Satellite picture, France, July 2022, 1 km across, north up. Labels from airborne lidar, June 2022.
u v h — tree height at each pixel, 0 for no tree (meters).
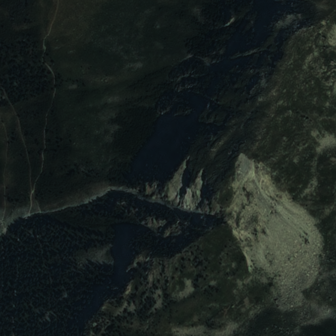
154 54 0
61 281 14
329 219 0
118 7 0
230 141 0
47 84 10
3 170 0
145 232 15
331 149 0
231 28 9
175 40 0
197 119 12
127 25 0
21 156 10
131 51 0
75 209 7
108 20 0
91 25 0
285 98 0
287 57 0
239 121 0
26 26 0
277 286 0
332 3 0
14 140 14
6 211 0
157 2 0
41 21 0
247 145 0
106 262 0
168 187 0
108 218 10
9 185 0
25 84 13
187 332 0
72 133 0
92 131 0
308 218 0
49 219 7
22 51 10
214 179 0
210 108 8
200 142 0
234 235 0
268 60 0
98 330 17
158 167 7
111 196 10
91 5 0
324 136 0
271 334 0
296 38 0
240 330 0
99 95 0
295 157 0
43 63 10
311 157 0
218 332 0
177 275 0
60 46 0
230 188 0
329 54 0
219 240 0
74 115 0
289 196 0
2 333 18
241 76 0
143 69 0
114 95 0
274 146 0
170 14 0
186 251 6
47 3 0
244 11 0
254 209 0
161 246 8
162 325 0
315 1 0
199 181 0
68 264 22
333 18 0
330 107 0
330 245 0
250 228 0
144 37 0
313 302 0
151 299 14
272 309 0
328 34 0
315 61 0
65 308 25
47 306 23
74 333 30
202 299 0
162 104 7
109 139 0
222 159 0
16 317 17
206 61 0
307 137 0
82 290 14
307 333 0
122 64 0
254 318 0
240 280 0
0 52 12
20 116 12
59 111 0
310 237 0
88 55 0
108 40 0
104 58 0
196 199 0
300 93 0
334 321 0
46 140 6
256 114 0
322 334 0
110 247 0
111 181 10
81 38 0
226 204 0
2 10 0
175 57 0
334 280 0
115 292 7
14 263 23
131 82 0
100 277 9
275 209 0
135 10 0
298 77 0
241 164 0
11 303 25
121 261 18
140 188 8
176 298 0
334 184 0
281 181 0
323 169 0
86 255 0
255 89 0
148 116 6
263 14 0
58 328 28
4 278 15
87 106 0
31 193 0
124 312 7
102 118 0
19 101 12
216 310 0
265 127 0
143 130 6
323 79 0
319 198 0
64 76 0
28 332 21
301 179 0
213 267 0
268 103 0
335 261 0
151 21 0
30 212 0
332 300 0
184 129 8
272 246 0
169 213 8
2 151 0
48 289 11
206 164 0
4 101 12
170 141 7
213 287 7
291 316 0
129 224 6
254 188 0
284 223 0
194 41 6
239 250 0
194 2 0
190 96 6
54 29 0
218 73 14
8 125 0
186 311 0
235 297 0
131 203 9
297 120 0
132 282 0
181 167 0
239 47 6
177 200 0
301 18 0
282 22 0
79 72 0
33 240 22
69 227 25
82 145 0
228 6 6
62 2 0
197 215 0
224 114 0
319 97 0
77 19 0
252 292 0
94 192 0
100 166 0
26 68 9
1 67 11
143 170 7
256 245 0
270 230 0
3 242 7
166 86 6
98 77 0
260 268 0
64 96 0
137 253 17
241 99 0
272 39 0
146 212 10
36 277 21
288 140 0
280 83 0
